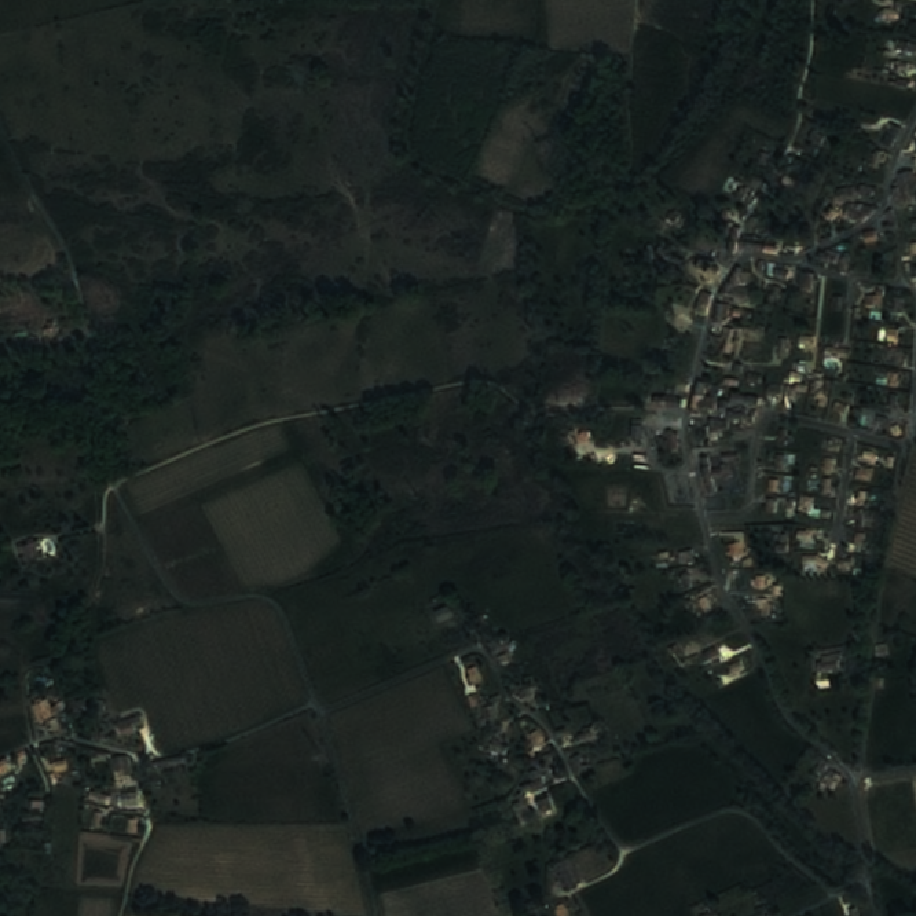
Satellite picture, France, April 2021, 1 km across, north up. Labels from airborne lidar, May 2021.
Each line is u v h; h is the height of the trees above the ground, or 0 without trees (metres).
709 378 8
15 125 0
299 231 0
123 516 0
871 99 0
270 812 0
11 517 0
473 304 0
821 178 17
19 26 0
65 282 18
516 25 0
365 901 0
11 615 0
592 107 21
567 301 10
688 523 0
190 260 14
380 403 21
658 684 17
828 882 13
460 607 10
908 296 11
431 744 0
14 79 0
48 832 6
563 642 0
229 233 0
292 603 0
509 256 0
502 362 0
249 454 0
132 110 0
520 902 17
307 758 0
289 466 0
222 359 0
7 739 0
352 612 0
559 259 0
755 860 0
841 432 0
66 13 0
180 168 0
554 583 0
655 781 0
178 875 0
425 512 8
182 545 0
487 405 22
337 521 21
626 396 0
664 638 22
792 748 0
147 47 0
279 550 0
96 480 14
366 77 0
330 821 0
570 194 20
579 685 12
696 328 0
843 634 0
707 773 0
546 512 0
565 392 0
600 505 0
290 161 0
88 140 0
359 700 0
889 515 14
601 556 21
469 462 20
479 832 20
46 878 0
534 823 22
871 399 6
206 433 0
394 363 0
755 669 0
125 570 0
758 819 11
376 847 13
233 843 0
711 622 17
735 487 0
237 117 0
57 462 0
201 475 0
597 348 10
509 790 9
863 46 0
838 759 0
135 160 0
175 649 0
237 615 0
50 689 6
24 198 0
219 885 0
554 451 0
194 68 0
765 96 8
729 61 21
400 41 0
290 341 0
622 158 28
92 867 0
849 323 0
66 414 21
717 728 21
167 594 0
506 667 11
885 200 0
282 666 0
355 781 0
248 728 0
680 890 0
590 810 14
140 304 9
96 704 7
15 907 15
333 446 18
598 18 0
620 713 0
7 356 24
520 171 0
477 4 0
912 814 0
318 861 0
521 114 0
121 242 0
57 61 0
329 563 0
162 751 0
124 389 20
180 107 0
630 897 0
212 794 0
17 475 15
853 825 0
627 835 0
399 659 0
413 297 21
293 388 0
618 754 7
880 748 0
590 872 0
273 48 0
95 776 9
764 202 15
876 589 17
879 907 11
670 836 0
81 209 0
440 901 0
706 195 0
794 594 0
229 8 0
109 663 0
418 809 0
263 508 0
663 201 12
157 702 0
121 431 18
